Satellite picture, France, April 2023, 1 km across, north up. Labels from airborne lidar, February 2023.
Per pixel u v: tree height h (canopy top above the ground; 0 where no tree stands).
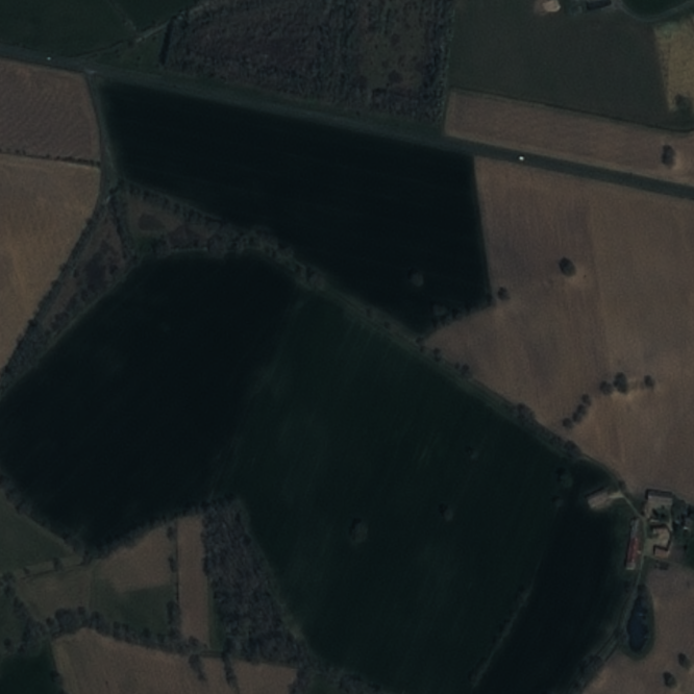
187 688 0
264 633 23
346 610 0
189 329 0
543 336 0
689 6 0
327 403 0
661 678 0
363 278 0
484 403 0
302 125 0
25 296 0
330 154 0
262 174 0
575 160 0
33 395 0
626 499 0
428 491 0
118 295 0
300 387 0
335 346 0
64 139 0
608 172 0
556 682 0
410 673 0
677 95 0
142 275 0
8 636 0
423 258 0
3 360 0
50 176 0
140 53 0
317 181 0
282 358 0
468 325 0
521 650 0
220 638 0
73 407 0
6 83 0
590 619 0
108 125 0
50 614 0
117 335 0
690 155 0
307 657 22
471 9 0
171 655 13
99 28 0
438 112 13
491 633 0
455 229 0
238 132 0
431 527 0
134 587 0
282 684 0
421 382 0
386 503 0
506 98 0
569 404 0
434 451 0
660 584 0
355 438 0
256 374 0
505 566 0
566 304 0
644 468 0
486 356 0
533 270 0
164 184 0
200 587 0
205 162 0
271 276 0
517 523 0
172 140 0
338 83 16
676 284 0
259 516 0
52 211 0
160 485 0
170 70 11
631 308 0
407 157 0
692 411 0
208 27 8
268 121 0
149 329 0
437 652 0
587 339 0
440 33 12
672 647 0
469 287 0
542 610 0
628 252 0
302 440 0
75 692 0
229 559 26
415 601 0
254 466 0
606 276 0
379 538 0
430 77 6
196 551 0
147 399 0
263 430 0
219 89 0
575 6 0
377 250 0
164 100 0
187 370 0
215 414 0
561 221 0
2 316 0
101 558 9
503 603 0
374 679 0
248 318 0
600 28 0
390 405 0
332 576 0
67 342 0
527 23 0
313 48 7
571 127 0
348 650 0
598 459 0
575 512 0
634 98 0
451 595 0
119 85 0
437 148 0
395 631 0
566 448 16
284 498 0
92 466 0
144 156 0
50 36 0
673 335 0
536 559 0
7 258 0
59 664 0
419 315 0
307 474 0
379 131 0
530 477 0
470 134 0
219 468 0
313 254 0
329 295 0
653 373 0
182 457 0
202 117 0
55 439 0
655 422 0
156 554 0
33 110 0
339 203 0
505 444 0
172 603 0
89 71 0
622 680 0
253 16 7
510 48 0
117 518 0
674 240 0
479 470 0
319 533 0
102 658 0
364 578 0
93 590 0
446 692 0
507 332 0
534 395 0
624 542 0
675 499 6
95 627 14
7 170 0
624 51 0
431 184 0
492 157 0
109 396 0
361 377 0
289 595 0
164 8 0
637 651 0
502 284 0
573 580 0
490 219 0
